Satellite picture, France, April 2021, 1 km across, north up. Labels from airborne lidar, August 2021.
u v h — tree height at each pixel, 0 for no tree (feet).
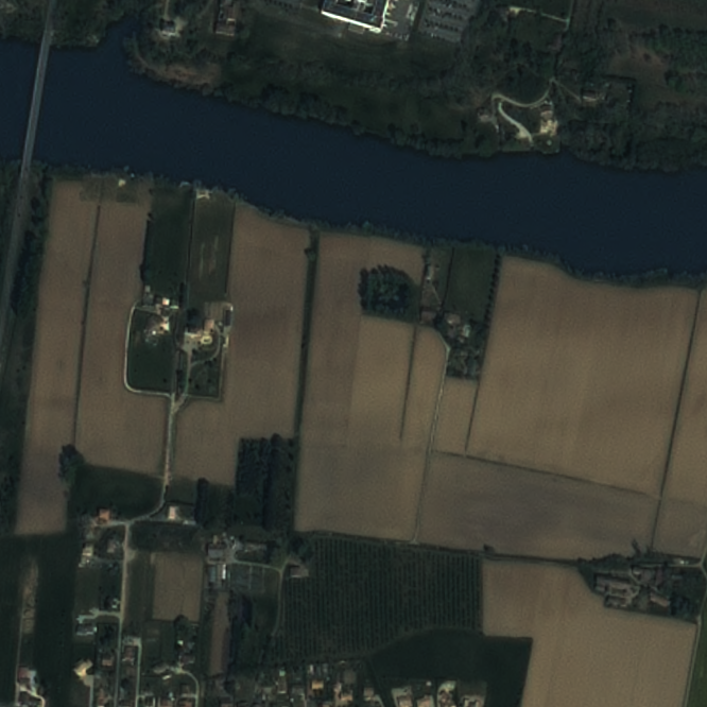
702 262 0
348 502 0
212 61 69
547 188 0
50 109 0
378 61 0
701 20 0
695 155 36
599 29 30
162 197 0
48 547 0
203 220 0
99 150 0
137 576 0
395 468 0
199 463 0
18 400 0
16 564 0
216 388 0
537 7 27
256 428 0
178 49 54
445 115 0
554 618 0
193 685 0
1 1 0
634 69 0
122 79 0
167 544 0
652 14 0
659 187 0
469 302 0
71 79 0
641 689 0
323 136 0
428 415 0
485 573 0
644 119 44
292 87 0
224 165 0
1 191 60
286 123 0
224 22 26
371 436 0
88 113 0
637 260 0
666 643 0
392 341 0
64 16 40
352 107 0
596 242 0
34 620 0
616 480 0
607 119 75
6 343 0
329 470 0
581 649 0
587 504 0
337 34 0
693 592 0
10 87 0
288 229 0
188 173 0
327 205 0
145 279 42
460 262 0
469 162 0
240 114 0
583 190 0
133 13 34
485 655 0
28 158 0
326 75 38
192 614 0
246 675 45
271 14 0
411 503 0
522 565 0
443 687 0
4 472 0
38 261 82
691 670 0
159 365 0
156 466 0
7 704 0
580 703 0
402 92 56
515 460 0
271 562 82
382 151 0
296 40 0
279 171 0
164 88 0
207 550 0
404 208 0
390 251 0
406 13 0
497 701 0
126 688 33
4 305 0
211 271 0
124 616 0
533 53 68
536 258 32
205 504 35
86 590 0
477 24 40
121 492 0
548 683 0
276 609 0
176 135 0
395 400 0
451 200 0
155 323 0
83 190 0
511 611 0
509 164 0
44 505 0
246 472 40
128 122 0
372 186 0
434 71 0
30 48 0
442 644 0
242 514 0
